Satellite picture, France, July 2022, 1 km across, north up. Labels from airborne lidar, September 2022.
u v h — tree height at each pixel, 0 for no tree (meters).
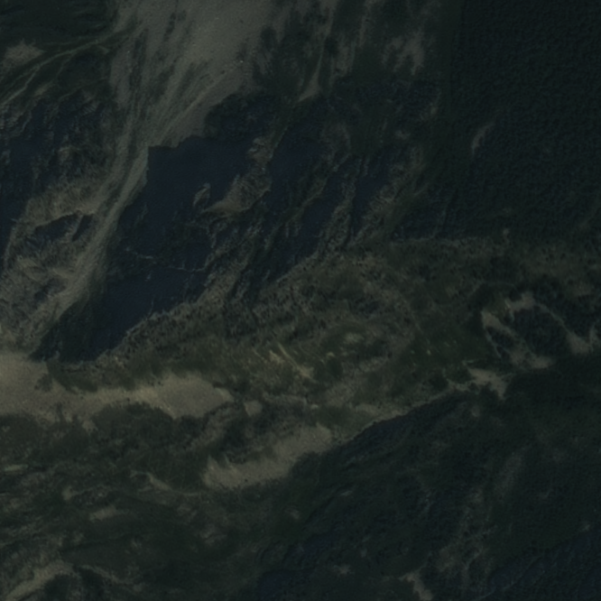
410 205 0
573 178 16
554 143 6
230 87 0
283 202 8
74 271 0
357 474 0
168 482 0
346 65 0
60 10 0
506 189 8
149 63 0
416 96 11
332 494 0
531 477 6
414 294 0
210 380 0
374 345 0
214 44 0
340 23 0
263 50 0
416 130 6
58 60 0
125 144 0
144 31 0
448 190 7
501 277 10
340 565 6
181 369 0
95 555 0
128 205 0
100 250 0
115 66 0
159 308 0
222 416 0
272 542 0
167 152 0
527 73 18
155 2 0
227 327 6
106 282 0
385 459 6
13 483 0
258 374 0
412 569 0
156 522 0
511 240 8
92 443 0
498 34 14
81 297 0
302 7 0
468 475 7
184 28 0
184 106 0
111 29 0
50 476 0
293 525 0
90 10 0
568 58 11
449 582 17
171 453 0
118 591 0
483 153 13
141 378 0
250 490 0
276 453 0
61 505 0
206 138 0
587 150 13
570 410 9
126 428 0
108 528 0
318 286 0
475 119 9
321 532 0
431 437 6
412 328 0
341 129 0
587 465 8
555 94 16
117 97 0
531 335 24
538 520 11
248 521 0
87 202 0
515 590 7
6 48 0
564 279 0
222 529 0
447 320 0
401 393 0
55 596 0
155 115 0
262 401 0
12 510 0
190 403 0
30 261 0
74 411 0
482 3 14
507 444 10
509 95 8
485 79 9
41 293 0
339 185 7
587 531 0
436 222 6
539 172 10
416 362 0
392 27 0
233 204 0
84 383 0
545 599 7
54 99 0
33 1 0
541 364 0
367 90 7
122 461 0
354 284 0
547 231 10
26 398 0
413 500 8
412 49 0
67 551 0
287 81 0
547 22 17
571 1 15
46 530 0
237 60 0
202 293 0
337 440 0
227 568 0
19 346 0
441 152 6
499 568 0
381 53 0
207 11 0
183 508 0
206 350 0
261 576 0
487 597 6
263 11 0
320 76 0
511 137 9
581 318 13
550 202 10
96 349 6
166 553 0
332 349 0
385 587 0
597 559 11
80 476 0
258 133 9
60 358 0
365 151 0
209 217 8
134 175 0
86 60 7
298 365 0
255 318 7
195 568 0
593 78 14
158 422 0
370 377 0
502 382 0
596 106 14
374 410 0
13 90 0
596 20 17
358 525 0
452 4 0
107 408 0
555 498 8
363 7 0
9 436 0
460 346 0
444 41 0
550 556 9
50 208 6
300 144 7
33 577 0
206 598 0
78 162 8
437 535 8
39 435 0
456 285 0
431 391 0
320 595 0
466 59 13
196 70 0
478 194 8
